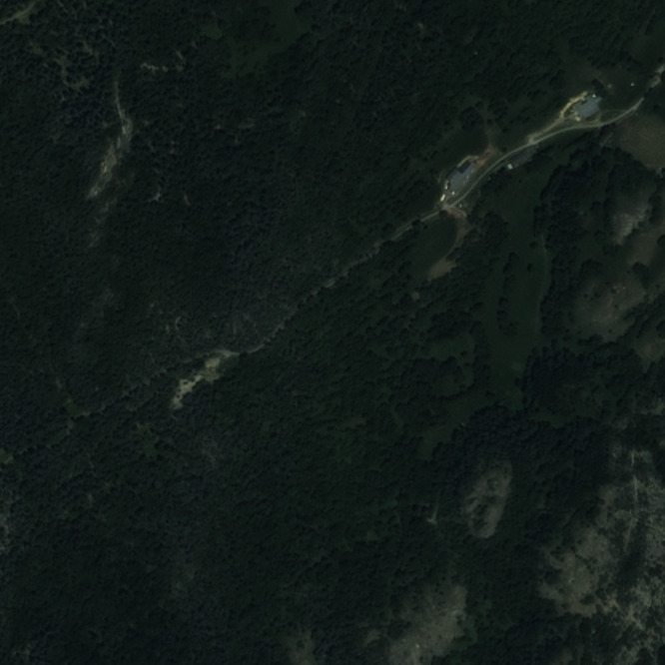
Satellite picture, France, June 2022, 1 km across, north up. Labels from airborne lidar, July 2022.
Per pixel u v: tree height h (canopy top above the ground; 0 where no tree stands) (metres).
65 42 11
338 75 20
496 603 13
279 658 17
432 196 0
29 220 21
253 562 19
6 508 7
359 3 23
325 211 14
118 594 20
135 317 23
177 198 24
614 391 13
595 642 13
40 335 16
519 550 20
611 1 9
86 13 13
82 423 20
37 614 23
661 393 12
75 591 12
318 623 16
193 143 19
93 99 30
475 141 0
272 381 13
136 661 23
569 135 0
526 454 24
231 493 16
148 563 19
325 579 15
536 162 18
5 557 18
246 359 15
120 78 11
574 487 11
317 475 15
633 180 14
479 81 20
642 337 15
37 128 17
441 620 0
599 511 9
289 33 0
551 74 10
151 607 27
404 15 22
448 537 8
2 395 20
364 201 12
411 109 21
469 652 9
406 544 15
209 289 16
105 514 16
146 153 23
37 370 18
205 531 18
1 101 18
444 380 9
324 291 14
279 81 15
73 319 16
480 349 17
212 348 13
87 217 15
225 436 13
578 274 9
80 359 14
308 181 20
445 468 6
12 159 11
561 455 18
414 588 10
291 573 15
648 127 0
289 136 10
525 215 0
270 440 21
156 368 12
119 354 16
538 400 23
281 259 13
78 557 20
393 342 10
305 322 15
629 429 14
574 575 0
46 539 27
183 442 15
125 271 17
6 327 20
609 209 15
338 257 14
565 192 19
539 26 12
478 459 8
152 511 13
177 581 7
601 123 0
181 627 21
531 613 9
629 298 0
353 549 12
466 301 16
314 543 8
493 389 0
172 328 15
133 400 19
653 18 9
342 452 6
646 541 18
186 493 17
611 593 10
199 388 10
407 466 19
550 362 19
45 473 23
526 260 0
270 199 19
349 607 18
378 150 19
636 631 10
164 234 19
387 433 17
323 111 15
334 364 12
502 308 14
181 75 10
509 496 14
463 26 22
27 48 10
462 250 10
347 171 15
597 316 0
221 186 26
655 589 6
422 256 0
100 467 16
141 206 12
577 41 14
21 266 18
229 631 6
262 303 12
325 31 20
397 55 26
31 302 15
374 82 20
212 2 15
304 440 13
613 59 10
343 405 9
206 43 20
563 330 11
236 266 23
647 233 0
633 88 0
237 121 9
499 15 12
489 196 13
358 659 24
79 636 26
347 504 13
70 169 15
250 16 7
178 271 15
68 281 24
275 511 12
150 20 17
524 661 10
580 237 7
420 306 15
